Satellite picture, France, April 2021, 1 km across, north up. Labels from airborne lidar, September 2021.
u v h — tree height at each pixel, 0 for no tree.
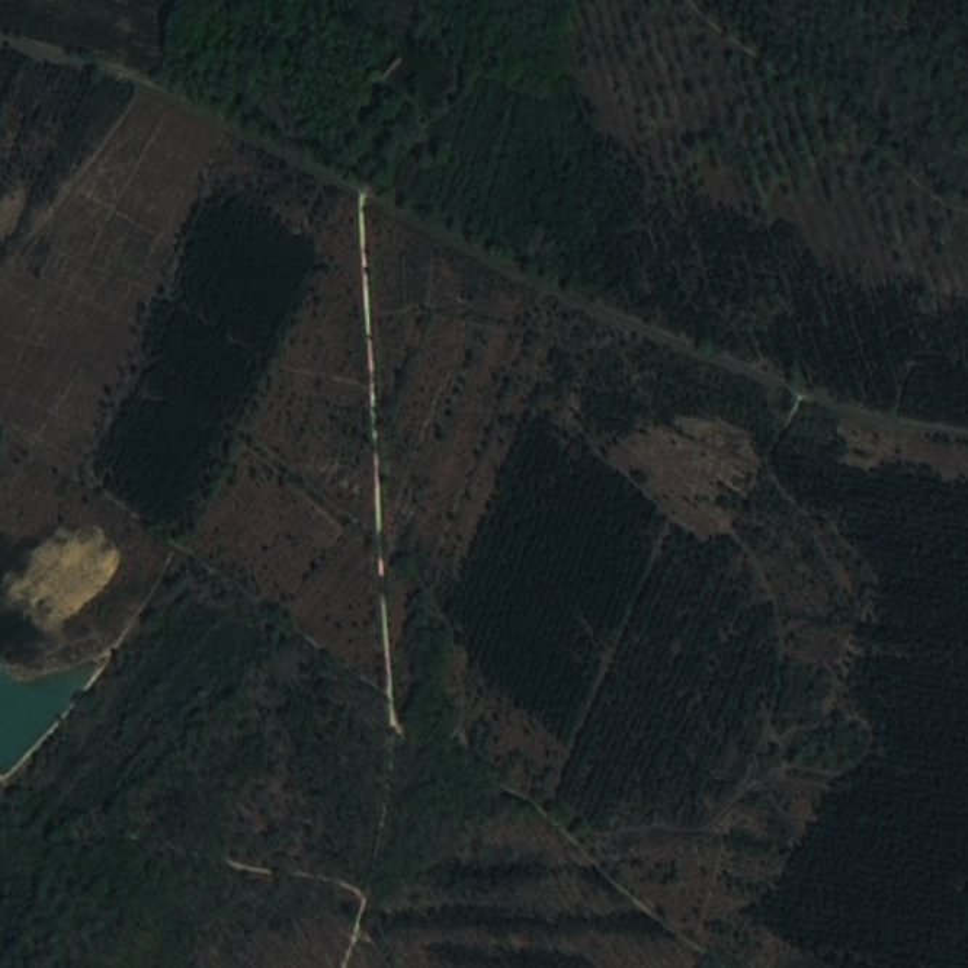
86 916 21
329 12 21
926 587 14
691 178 13
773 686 11
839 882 14
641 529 7
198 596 9
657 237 10
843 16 12
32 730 0
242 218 14
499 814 18
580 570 13
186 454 13
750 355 8
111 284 0
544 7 19
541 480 15
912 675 14
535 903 20
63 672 0
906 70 20
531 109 11
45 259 0
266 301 16
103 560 0
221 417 12
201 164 0
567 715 14
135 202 0
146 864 16
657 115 18
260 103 16
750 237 9
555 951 19
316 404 6
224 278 13
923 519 14
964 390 9
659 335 0
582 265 15
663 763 13
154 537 15
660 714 11
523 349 8
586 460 10
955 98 8
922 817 15
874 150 12
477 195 13
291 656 18
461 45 21
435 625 14
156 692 12
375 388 7
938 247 12
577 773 12
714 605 11
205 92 19
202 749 19
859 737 16
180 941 23
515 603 13
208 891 17
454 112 8
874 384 8
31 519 0
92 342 0
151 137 0
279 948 24
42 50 0
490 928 16
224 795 17
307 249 11
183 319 14
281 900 16
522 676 13
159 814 18
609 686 11
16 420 0
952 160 13
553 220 14
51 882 15
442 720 17
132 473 14
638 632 12
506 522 14
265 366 13
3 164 8
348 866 14
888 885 14
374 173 17
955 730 15
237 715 17
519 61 21
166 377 14
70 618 0
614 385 10
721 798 9
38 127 7
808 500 15
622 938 20
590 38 13
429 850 19
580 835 15
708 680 10
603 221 16
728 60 13
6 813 15
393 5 14
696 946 16
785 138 20
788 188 8
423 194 14
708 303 13
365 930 12
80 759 6
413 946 19
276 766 17
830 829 12
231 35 22
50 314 0
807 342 11
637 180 15
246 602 14
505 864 14
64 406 0
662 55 11
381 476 10
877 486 12
